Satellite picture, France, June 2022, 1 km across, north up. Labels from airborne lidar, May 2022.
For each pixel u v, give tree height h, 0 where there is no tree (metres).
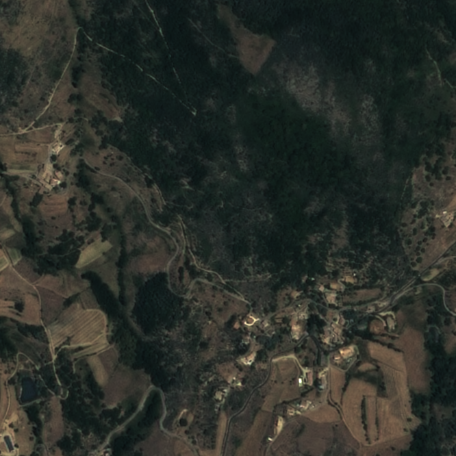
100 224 10
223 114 7
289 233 7
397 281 7
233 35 0
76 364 0
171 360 8
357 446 0
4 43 0
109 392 0
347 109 0
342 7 19
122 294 10
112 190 8
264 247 8
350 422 0
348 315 19
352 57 11
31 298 0
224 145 7
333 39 14
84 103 0
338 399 0
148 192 0
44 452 0
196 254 7
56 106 0
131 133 8
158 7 6
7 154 0
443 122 9
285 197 7
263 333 7
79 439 8
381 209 9
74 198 8
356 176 7
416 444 13
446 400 11
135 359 10
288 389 0
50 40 0
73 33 0
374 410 0
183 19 12
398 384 0
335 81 0
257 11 15
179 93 7
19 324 7
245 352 6
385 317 6
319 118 0
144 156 7
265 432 0
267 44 0
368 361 0
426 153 6
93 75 0
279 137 9
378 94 7
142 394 0
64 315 0
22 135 0
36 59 0
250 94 7
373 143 0
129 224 0
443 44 6
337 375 0
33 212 0
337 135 0
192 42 9
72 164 0
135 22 7
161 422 0
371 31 14
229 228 9
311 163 11
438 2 14
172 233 7
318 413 0
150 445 0
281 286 9
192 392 0
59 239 6
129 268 0
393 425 0
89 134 0
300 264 9
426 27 8
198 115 9
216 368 0
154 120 10
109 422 7
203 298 0
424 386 0
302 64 0
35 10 0
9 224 0
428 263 0
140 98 7
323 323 10
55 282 0
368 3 12
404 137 6
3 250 0
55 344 0
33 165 0
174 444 0
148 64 6
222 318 0
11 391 0
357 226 8
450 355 0
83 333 0
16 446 8
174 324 7
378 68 6
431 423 9
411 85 7
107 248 0
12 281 0
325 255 6
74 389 7
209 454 0
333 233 6
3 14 0
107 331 0
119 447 19
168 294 11
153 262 0
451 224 6
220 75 6
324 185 9
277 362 0
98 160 0
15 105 9
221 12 0
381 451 0
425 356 0
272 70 0
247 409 0
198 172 13
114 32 8
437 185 0
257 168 8
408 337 0
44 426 0
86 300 0
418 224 0
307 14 10
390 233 10
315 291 7
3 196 0
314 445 0
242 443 0
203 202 7
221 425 0
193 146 6
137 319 7
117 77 9
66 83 0
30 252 6
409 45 6
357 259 7
